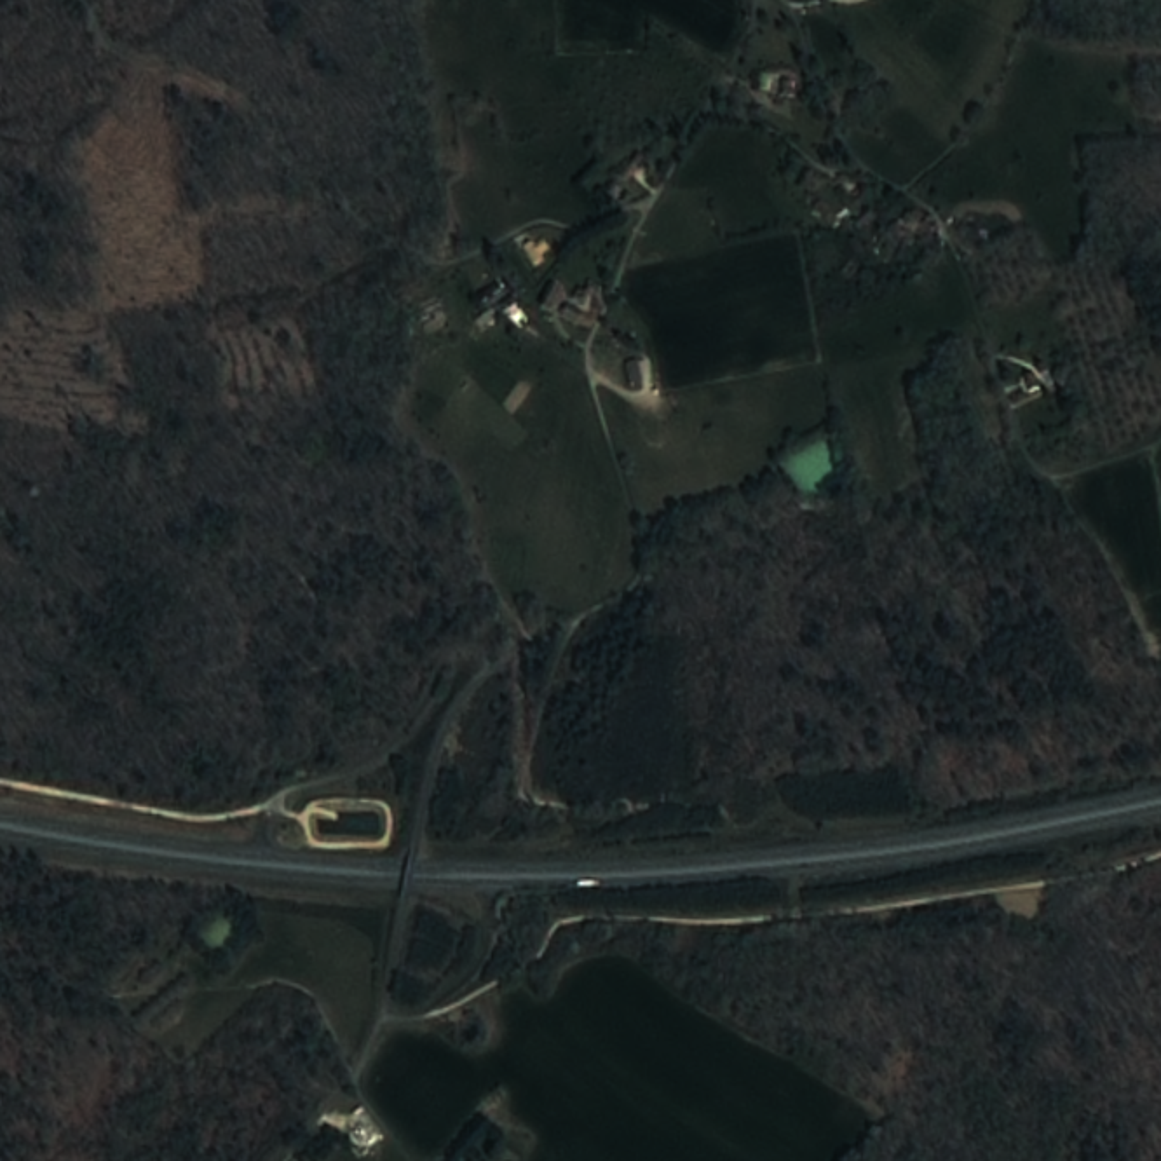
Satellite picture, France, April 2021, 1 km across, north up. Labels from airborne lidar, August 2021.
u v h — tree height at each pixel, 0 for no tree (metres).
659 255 0
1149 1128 13
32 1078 19
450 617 20
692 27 0
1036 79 0
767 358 0
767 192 0
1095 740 22
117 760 12
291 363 24
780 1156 0
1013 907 0
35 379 0
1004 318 0
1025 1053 21
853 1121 0
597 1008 0
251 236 15
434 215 14
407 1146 0
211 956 13
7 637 13
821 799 10
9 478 6
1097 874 14
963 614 22
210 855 0
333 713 17
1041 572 7
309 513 18
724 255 0
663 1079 0
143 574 14
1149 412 11
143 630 13
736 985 14
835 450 14
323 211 20
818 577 9
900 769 8
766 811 0
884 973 16
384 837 0
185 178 16
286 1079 16
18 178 16
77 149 26
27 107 10
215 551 14
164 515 15
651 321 0
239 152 19
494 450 0
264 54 18
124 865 0
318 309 19
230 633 20
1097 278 14
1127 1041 16
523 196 0
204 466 17
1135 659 16
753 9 0
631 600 6
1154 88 25
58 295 17
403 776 11
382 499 10
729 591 8
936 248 8
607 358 0
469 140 0
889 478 0
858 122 15
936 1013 15
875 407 0
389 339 20
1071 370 8
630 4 0
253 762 13
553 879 0
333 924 0
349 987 0
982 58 0
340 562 14
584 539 0
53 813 0
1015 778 13
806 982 10
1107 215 19
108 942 13
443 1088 0
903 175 0
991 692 14
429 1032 0
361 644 20
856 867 0
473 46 0
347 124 18
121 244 0
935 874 10
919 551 22
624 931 13
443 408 0
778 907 10
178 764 18
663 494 0
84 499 13
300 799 0
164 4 7
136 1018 12
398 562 15
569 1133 0
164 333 13
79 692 12
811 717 12
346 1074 16
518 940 15
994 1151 13
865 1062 19
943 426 19
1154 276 19
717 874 0
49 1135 20
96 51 16
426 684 9
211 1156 10
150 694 10
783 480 9
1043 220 0
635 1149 0
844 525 7
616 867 0
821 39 0
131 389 12
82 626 9
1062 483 0
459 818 7
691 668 7
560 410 0
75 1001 19
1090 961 17
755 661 13
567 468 0
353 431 24
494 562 0
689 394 0
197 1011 0
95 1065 15
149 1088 16
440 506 18
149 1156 12
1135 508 0
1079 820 0
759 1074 0
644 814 7
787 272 0
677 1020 0
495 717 13
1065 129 0
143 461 16
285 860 0
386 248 21
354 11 20
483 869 0
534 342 0
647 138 16
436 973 8
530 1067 0
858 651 11
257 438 17
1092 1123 9
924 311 0
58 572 14
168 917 13
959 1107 16
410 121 20
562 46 0
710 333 0
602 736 9
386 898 0
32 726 15
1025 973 17
